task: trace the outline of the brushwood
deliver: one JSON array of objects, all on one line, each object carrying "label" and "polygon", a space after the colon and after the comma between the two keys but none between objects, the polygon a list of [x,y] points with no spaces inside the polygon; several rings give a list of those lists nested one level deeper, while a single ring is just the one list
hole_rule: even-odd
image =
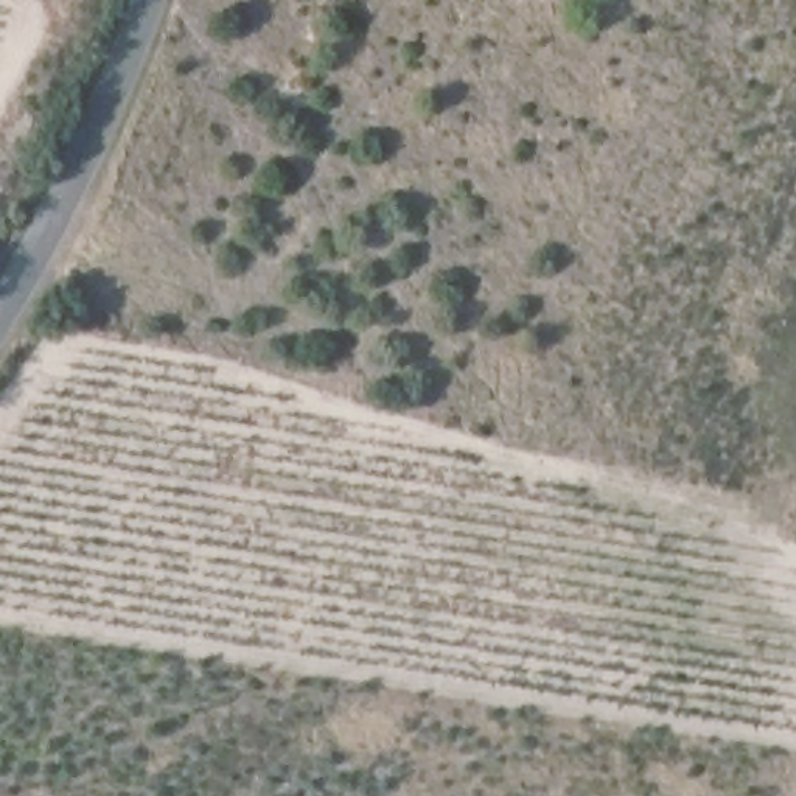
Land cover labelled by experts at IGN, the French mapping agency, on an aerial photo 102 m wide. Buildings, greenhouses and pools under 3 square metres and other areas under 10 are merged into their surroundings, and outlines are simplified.
[{"label": "brushwood", "polygon": [[0,370],[0,404],[6,401],[6,392],[16,389],[22,367],[34,358],[34,351],[31,345],[19,345]]},{"label": "brushwood", "polygon": [[700,780],[718,790],[721,796],[746,796],[749,787],[762,787],[759,768],[771,759],[784,759],[790,749],[724,737],[675,734],[662,724],[631,728],[609,721],[609,731],[628,737],[625,774],[634,787],[634,796],[662,796],[659,784],[647,780],[647,765],[656,762],[706,765],[706,774],[700,774]]},{"label": "brushwood", "polygon": [[[264,681],[255,678],[252,669],[230,665],[221,656],[202,659],[174,650],[93,644],[72,634],[44,637],[12,625],[0,625],[0,796],[389,796],[404,780],[410,780],[410,762],[401,762],[392,777],[367,774],[364,768],[342,771],[339,762],[345,762],[345,749],[336,743],[333,728],[326,724],[326,718],[339,712],[339,703],[379,693],[382,681],[339,681],[323,675],[302,675],[295,681],[295,693],[286,700],[267,700],[267,709],[258,721],[249,715],[227,715],[224,728],[218,728],[215,706],[236,703],[239,697],[249,697],[252,690],[264,687]],[[165,771],[149,774],[146,746],[155,737],[174,734],[177,728],[190,724],[196,715],[202,715],[205,734],[190,737],[180,746],[199,749],[199,762],[177,759]]]},{"label": "brushwood", "polygon": [[31,124],[28,137],[16,140],[16,171],[9,174],[0,193],[0,299],[19,289],[22,274],[31,264],[31,258],[22,252],[22,233],[31,227],[37,211],[50,205],[53,183],[62,183],[62,165],[56,159],[56,149],[68,143],[75,134],[75,124],[81,118],[81,87],[103,56],[100,37],[109,34],[115,16],[121,12],[121,0],[84,0],[78,28],[87,40],[75,56],[75,68],[56,59],[56,75],[44,93],[47,112]]}]

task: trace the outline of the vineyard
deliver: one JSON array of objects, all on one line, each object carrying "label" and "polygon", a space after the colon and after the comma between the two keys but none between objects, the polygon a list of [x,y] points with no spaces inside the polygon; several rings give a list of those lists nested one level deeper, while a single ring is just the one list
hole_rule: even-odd
[{"label": "vineyard", "polygon": [[367,389],[376,379],[392,376],[395,364],[392,348],[386,345],[382,323],[373,323],[354,336],[358,345],[351,358],[345,358],[336,370],[299,370],[295,376],[323,395],[370,404]]},{"label": "vineyard", "polygon": [[205,625],[205,641],[283,650],[280,641],[230,634],[230,619],[183,609],[162,613],[162,606],[131,606],[131,613],[143,616],[199,622]]},{"label": "vineyard", "polygon": [[87,348],[90,354],[100,354],[100,364],[72,361],[72,367],[81,367],[84,373],[152,373],[152,379],[159,382],[199,386],[227,395],[255,395],[258,389],[218,379],[202,382],[202,373],[215,373],[215,367],[205,364],[193,364],[193,379],[187,379],[171,376],[171,361],[162,358]]},{"label": "vineyard", "polygon": [[606,504],[597,498],[591,485],[557,479],[535,482],[510,473],[488,473],[482,454],[476,451],[367,438],[348,432],[345,420],[339,417],[323,417],[311,410],[277,414],[271,407],[252,407],[249,414],[218,414],[218,407],[230,404],[227,398],[155,392],[143,386],[121,386],[112,379],[53,379],[34,358],[22,367],[16,389],[6,392],[6,401],[22,417],[19,445],[12,445],[12,451],[31,457],[96,463],[121,473],[146,473],[159,476],[159,485],[124,482],[121,491],[109,491],[100,488],[100,476],[90,473],[0,460],[0,606],[3,594],[25,594],[37,600],[68,600],[109,609],[109,600],[37,591],[37,581],[84,588],[87,578],[103,578],[103,591],[118,597],[146,597],[180,606],[202,606],[208,594],[239,597],[236,606],[230,606],[239,616],[292,619],[292,613],[302,603],[289,600],[286,591],[308,591],[354,600],[351,616],[367,622],[364,634],[417,637],[426,644],[473,647],[498,656],[572,662],[581,669],[637,675],[641,684],[634,684],[625,697],[597,693],[597,681],[585,675],[541,669],[541,681],[529,681],[525,665],[494,665],[476,662],[473,656],[423,653],[414,647],[392,644],[373,644],[367,656],[361,656],[358,641],[333,637],[320,637],[314,647],[305,647],[302,656],[342,659],[354,665],[389,665],[389,656],[395,653],[398,669],[407,672],[482,681],[491,687],[522,687],[538,693],[578,697],[588,703],[641,706],[653,712],[675,712],[706,721],[737,721],[752,728],[774,728],[774,721],[762,721],[762,712],[780,712],[780,700],[796,700],[796,625],[790,625],[790,616],[771,609],[771,594],[752,591],[752,575],[728,575],[715,569],[681,566],[681,557],[734,563],[731,553],[684,550],[684,541],[724,544],[728,538],[703,532],[662,532],[656,529],[656,510],[644,510],[637,504]]}]

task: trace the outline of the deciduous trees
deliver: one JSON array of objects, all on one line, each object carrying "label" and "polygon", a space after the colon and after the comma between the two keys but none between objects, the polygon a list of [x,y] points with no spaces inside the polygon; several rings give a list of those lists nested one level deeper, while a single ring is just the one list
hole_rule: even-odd
[{"label": "deciduous trees", "polygon": [[44,342],[72,333],[93,333],[84,323],[84,302],[78,289],[68,280],[62,280],[40,295],[37,311],[28,323],[28,330],[37,333]]}]

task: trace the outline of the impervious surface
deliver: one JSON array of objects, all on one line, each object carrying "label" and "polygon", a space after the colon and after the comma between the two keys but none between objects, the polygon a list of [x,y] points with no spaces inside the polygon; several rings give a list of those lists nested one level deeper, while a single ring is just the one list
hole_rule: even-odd
[{"label": "impervious surface", "polygon": [[50,264],[56,246],[62,243],[68,221],[84,196],[84,187],[100,187],[106,171],[106,159],[100,155],[103,134],[121,103],[121,81],[140,62],[140,56],[134,53],[137,47],[143,47],[146,40],[152,44],[155,37],[168,44],[168,34],[177,31],[177,16],[168,16],[171,0],[121,0],[121,12],[115,16],[109,34],[100,37],[103,56],[81,87],[81,118],[75,124],[75,134],[68,143],[56,149],[56,159],[62,165],[62,183],[53,183],[50,205],[37,211],[31,227],[22,233],[22,252],[31,258],[31,264],[22,274],[19,289],[0,299],[0,339],[22,314],[28,292],[34,289],[40,271]]}]

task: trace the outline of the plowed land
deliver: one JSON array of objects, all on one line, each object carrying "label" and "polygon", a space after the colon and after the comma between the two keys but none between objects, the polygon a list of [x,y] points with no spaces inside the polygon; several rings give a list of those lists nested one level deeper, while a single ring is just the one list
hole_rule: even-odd
[{"label": "plowed land", "polygon": [[[72,361],[100,364],[100,354],[90,354],[87,348],[162,358],[171,361],[171,376],[187,379],[193,379],[193,364],[205,364],[215,367],[215,373],[202,373],[202,382],[218,379],[258,389],[255,395],[227,395],[199,386],[159,382],[152,379],[152,373],[84,373],[81,367],[72,367]],[[112,333],[93,333],[72,333],[44,342],[34,351],[34,358],[53,379],[112,379],[121,386],[143,386],[155,392],[227,398],[230,404],[218,407],[218,414],[249,414],[252,407],[271,407],[277,414],[311,410],[323,417],[339,417],[345,420],[348,432],[367,438],[476,451],[482,454],[488,473],[510,473],[535,482],[557,479],[591,485],[597,498],[606,504],[637,504],[644,510],[656,510],[656,529],[662,532],[703,532],[728,538],[724,544],[684,541],[684,550],[731,553],[734,563],[681,557],[681,566],[715,569],[728,575],[752,575],[752,591],[771,594],[771,609],[790,616],[790,625],[796,625],[796,541],[784,538],[774,525],[749,522],[749,498],[743,498],[740,491],[728,491],[709,482],[672,482],[659,473],[644,473],[634,466],[603,466],[591,460],[504,448],[494,438],[426,423],[414,410],[395,414],[370,404],[323,395],[295,376],[299,370],[292,370],[289,376],[277,376],[218,354],[180,351],[171,345],[168,336],[152,342],[124,342]]]},{"label": "plowed land", "polygon": [[100,476],[100,488],[109,491],[121,491],[124,482],[159,485],[159,476],[146,473],[121,473],[96,463],[31,457],[12,451],[12,445],[19,445],[22,417],[6,401],[0,404],[0,460],[90,473]]},{"label": "plowed land", "polygon": [[[498,656],[473,647],[426,644],[417,637],[364,634],[367,622],[351,616],[354,600],[308,591],[286,591],[289,600],[302,603],[292,613],[292,619],[239,616],[230,606],[236,606],[239,597],[208,594],[202,606],[180,606],[146,597],[118,597],[103,591],[103,578],[87,578],[84,588],[37,581],[37,591],[109,600],[109,609],[68,600],[37,600],[25,594],[3,594],[0,606],[0,625],[12,625],[44,637],[72,634],[93,644],[174,650],[202,659],[221,656],[230,665],[252,669],[267,662],[280,672],[302,675],[323,675],[339,681],[382,681],[389,687],[432,690],[435,697],[479,700],[488,706],[538,706],[547,715],[594,715],[609,721],[631,728],[662,724],[675,734],[724,737],[790,749],[796,749],[796,700],[780,700],[780,712],[762,712],[762,721],[774,721],[774,728],[752,728],[737,721],[706,721],[675,712],[653,712],[641,706],[588,703],[578,697],[538,693],[522,687],[491,687],[482,681],[407,672],[398,669],[395,653],[389,656],[389,665],[354,665],[342,659],[302,656],[305,647],[314,647],[320,637],[333,637],[358,641],[361,656],[367,656],[373,644],[392,644],[414,647],[423,653],[473,656],[476,662],[494,665],[525,665],[529,681],[541,681],[541,669],[585,675],[597,681],[597,693],[625,697],[634,684],[641,684],[637,675],[581,669],[572,662]],[[230,619],[230,634],[280,641],[283,650],[205,641],[205,625],[199,622],[143,616],[131,613],[131,606],[162,606],[162,613],[183,609]]]},{"label": "plowed land", "polygon": [[47,16],[40,0],[0,0],[0,115],[6,103],[16,96],[31,59],[44,47]]}]

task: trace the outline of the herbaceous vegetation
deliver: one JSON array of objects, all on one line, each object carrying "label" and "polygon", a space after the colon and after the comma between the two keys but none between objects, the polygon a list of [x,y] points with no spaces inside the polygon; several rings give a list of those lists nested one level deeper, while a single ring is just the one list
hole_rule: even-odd
[{"label": "herbaceous vegetation", "polygon": [[762,787],[749,787],[746,796],[796,796],[796,749],[790,749],[784,759],[771,759],[759,768]]},{"label": "herbaceous vegetation", "polygon": [[401,762],[410,762],[410,780],[404,780],[389,796],[634,796],[634,787],[625,774],[628,737],[609,731],[609,721],[594,715],[547,715],[538,706],[488,706],[479,700],[435,697],[432,690],[389,687],[382,681],[379,693],[339,703],[339,712],[326,718],[326,724],[333,728],[336,743],[345,749],[345,762],[339,762],[342,771],[364,768],[367,774],[392,777]]},{"label": "herbaceous vegetation", "polygon": [[721,796],[718,790],[700,780],[700,774],[706,774],[706,765],[656,762],[647,765],[647,780],[659,784],[662,796]]},{"label": "herbaceous vegetation", "polygon": [[16,140],[28,137],[31,124],[47,112],[44,93],[56,75],[56,59],[75,68],[75,56],[87,40],[78,28],[84,0],[40,0],[47,16],[44,47],[31,59],[16,96],[6,103],[0,115],[0,193],[9,174],[16,171]]},{"label": "herbaceous vegetation", "polygon": [[302,675],[280,672],[267,662],[252,669],[255,678],[264,681],[264,687],[252,690],[249,697],[239,697],[236,703],[215,706],[218,728],[224,728],[227,715],[249,715],[258,721],[267,709],[267,700],[286,700],[295,693],[295,681]]},{"label": "herbaceous vegetation", "polygon": [[177,759],[199,762],[199,749],[180,746],[190,737],[205,734],[202,715],[196,715],[190,724],[177,728],[174,734],[155,737],[146,746],[149,774],[165,771]]},{"label": "herbaceous vegetation", "polygon": [[299,370],[336,370],[345,358],[351,358],[358,345],[354,336],[373,323],[382,323],[386,345],[392,348],[395,364],[392,376],[376,379],[367,389],[370,404],[395,414],[414,410],[426,423],[494,438],[504,448],[591,460],[603,466],[634,466],[644,473],[659,473],[672,482],[709,482],[728,491],[740,491],[743,498],[749,498],[749,522],[774,525],[784,538],[796,541],[796,0],[171,0],[168,16],[177,16],[177,31],[168,34],[168,44],[155,37],[152,44],[146,40],[143,47],[137,47],[134,53],[140,56],[140,62],[121,81],[121,103],[103,134],[100,155],[106,159],[106,171],[100,187],[84,187],[84,196],[68,221],[62,243],[56,246],[50,264],[40,271],[34,289],[28,292],[22,314],[0,339],[0,370],[19,345],[31,345],[34,351],[44,342],[37,333],[28,330],[28,323],[37,311],[40,295],[62,280],[68,280],[78,289],[84,302],[84,323],[93,333],[112,333],[124,342],[152,342],[168,336],[171,345],[180,351],[218,354],[277,376],[289,376],[292,370]]}]

